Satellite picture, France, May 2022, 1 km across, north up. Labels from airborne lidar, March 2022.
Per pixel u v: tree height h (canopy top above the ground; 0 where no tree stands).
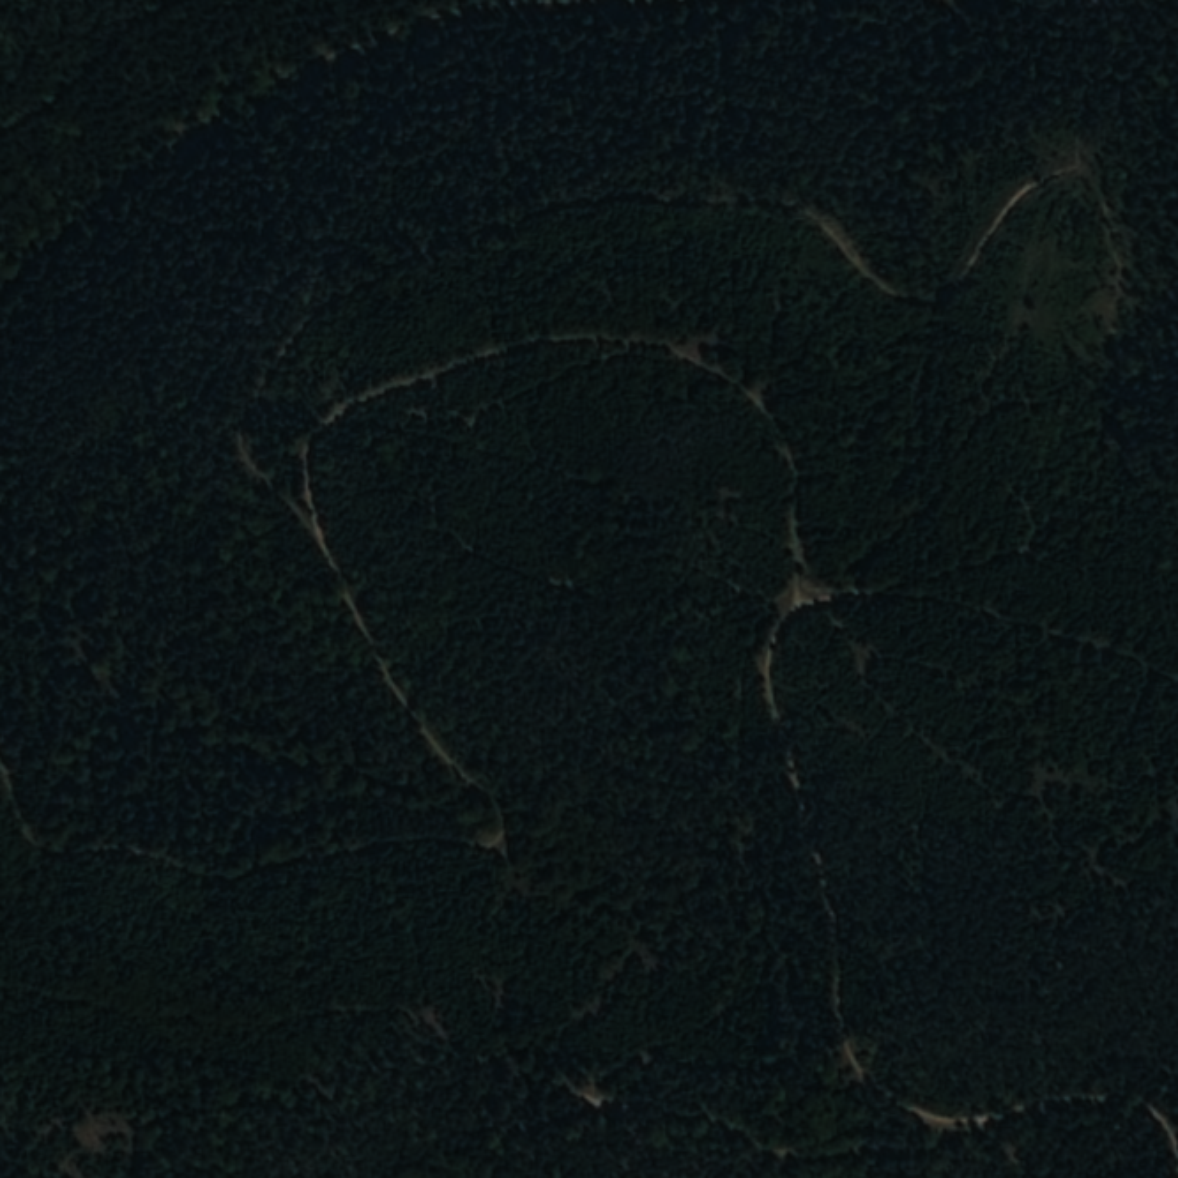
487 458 14
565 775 26
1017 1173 29
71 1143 8
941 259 7
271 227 38
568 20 11
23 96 28
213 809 19
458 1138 26
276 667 31
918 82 39
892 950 28
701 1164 29
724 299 13
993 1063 26
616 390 19
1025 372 12
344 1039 8
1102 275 12
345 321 12
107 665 18
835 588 9
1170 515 15
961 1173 31
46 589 24
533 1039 16
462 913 17
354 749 32
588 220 13
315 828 27
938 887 28
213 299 37
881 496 17
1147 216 36
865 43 19
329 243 33
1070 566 13
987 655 17
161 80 31
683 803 31
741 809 27
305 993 11
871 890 23
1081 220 16
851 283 7
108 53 29
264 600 24
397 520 11
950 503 14
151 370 32
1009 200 0
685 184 35
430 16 0
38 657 11
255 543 18
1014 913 27
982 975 27
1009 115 29
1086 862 15
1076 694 17
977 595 14
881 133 31
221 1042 11
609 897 17
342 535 13
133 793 18
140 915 6
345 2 30
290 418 18
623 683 29
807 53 31
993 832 9
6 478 23
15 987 7
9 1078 15
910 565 20
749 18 33
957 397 11
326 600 23
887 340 10
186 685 39
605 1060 31
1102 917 31
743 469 15
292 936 7
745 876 34
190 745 44
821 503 16
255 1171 28
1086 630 19
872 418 10
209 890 20
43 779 30
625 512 22
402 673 18
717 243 11
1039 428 12
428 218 16
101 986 11
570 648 26
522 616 22
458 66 39
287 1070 12
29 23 32
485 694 21
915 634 15
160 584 29
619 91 38
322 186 38
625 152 36
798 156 30
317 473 8
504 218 35
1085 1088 24
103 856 9
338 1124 26
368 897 13
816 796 8
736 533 10
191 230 38
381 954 8
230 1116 26
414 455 12
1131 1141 30
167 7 29
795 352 15
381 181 16
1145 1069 28
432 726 21
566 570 12
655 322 8
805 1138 19
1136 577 17
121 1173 11
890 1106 27
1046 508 9
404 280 28
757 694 9
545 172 18
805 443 16
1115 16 33
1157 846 14
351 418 10
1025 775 10
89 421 30
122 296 32
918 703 9
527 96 32
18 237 29
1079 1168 27
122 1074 25
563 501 16
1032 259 0
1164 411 38
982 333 7
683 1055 13
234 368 28
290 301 28
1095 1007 28
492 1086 27
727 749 29
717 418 23
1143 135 37
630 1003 9
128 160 33
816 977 15
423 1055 23
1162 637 15
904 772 9
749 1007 15
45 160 29
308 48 22
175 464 7
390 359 9
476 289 14
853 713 8
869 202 13
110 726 26
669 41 39
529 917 14
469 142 17
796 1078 30
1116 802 12
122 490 22
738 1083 11
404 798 35
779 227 7
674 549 19
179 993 11
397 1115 25
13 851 12
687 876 30
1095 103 31
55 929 6
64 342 34
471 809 28
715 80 30
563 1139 29
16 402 31
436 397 10
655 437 23
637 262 13
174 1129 31
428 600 13
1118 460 7
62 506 14
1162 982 27
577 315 13
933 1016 25
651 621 18
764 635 15
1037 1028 26
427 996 10
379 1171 24
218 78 14
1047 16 37
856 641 8
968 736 10
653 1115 27
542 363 12
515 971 10
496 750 27
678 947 20
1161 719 13
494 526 14
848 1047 0
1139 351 19
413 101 45
